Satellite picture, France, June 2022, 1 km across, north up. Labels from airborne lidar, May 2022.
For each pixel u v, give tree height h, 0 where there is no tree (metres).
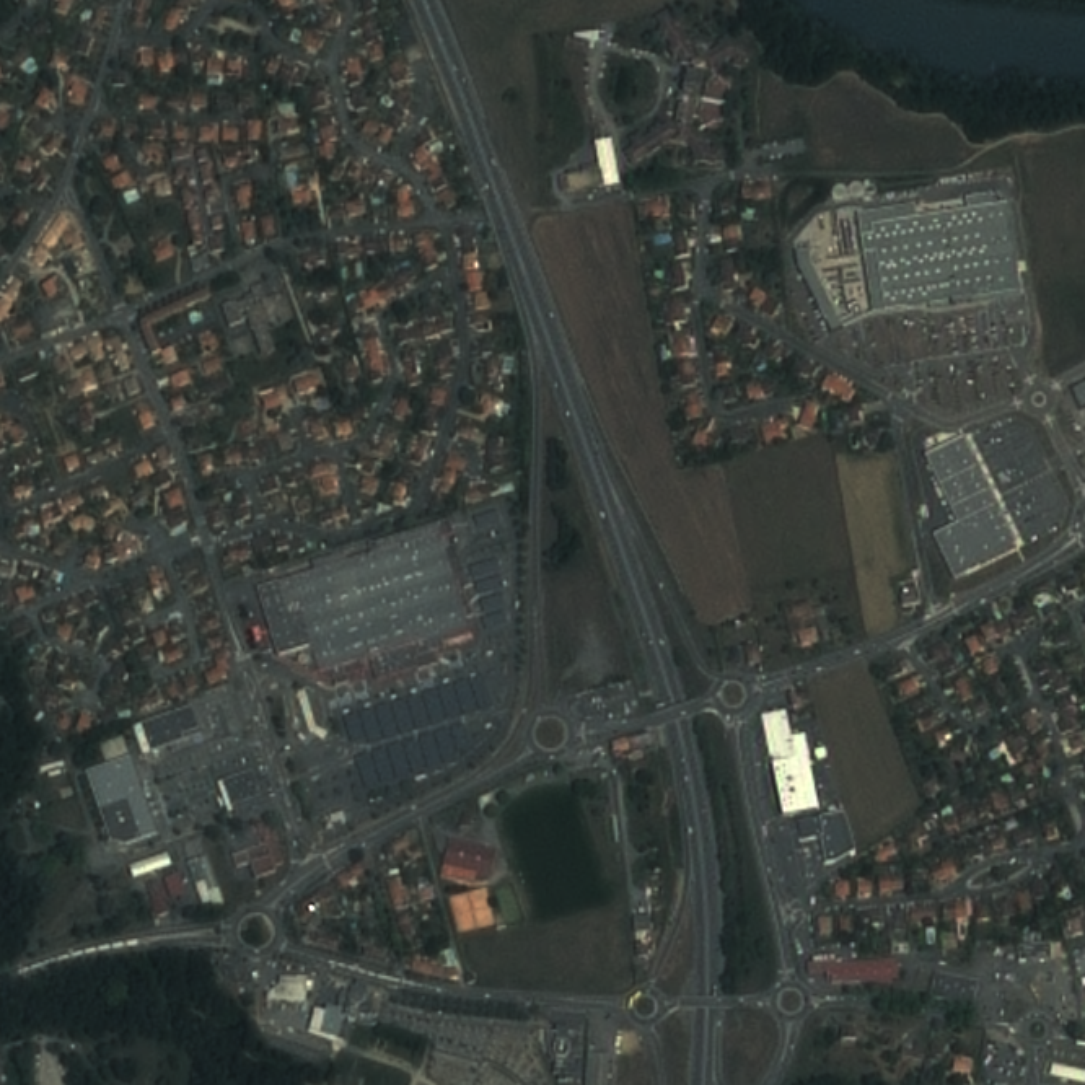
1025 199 0
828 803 0
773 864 0
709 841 0
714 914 0
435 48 0
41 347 0
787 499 0
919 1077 8
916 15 0
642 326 0
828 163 0
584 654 0
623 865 0
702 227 0
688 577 0
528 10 0
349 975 0
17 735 16
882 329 0
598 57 0
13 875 22
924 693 6
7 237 6
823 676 0
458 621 0
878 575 0
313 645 0
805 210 0
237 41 11
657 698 0
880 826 0
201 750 0
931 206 0
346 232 0
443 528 0
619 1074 0
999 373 0
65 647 0
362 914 6
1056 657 7
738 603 0
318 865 0
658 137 0
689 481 0
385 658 0
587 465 0
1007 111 11
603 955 0
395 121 0
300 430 0
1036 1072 0
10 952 15
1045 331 0
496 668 0
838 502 0
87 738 9
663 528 0
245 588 0
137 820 0
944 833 9
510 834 0
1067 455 0
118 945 0
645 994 0
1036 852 0
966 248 0
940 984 0
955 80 10
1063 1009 0
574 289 0
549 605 0
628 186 17
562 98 0
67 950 0
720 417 0
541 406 0
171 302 8
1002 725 6
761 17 13
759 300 0
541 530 0
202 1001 15
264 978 0
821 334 0
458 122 0
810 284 0
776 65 16
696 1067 0
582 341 0
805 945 0
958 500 0
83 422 0
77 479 0
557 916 0
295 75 0
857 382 0
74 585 0
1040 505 0
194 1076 9
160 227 0
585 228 0
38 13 8
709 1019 0
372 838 0
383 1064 0
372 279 6
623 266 0
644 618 0
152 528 0
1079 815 0
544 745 0
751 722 0
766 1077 0
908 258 0
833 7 0
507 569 0
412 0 0
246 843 0
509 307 0
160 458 0
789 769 0
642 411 0
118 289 8
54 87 11
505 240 0
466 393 12
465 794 0
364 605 0
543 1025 0
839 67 11
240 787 0
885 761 0
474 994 0
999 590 0
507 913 0
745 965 7
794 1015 0
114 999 28
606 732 0
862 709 0
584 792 11
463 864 0
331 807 0
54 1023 25
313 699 0
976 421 0
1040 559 0
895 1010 21
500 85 0
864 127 0
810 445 0
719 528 0
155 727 0
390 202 6
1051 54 0
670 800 0
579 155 0
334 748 0
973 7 0
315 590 0
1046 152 0
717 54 0
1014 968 0
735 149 8
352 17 0
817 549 0
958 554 0
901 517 0
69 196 0
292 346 8
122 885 0
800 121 0
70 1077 11
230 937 0
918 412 0
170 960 19
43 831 10
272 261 22
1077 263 0
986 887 0
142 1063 0
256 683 0
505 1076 0
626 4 0
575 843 0
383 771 0
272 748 0
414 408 11
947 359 0
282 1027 0
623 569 0
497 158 0
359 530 0
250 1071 18
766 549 0
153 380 0
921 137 0
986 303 0
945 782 15
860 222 0
